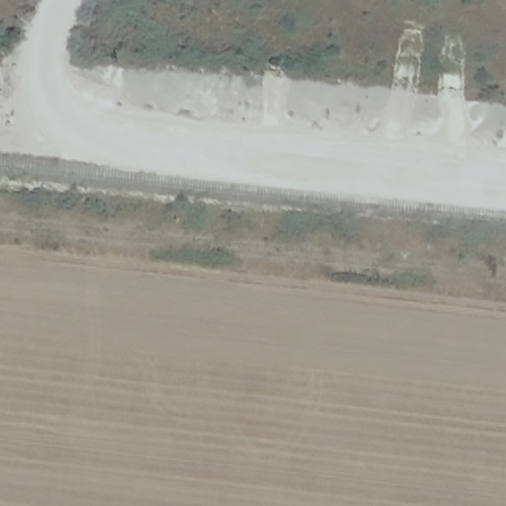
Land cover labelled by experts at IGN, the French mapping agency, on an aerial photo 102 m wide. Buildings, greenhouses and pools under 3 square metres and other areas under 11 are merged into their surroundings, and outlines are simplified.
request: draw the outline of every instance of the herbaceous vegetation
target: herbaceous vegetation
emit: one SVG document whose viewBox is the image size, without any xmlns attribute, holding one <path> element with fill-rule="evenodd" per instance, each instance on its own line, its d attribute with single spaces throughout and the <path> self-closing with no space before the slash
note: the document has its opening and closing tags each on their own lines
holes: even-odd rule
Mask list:
<svg viewBox="0 0 506 506">
<path fill-rule="evenodd" d="M 336 43 L 340 49 L 332 55 L 334 71 L 328 71 L 320 81 L 328 85 L 352 81 L 360 87 L 401 87 L 407 91 L 419 89 L 419 93 L 437 95 L 439 79 L 449 73 L 459 75 L 463 79 L 466 101 L 500 103 L 506 107 L 506 0 L 322 0 L 314 8 L 312 28 L 302 30 L 302 34 L 298 36 L 302 45 L 312 45 L 314 49 L 320 43 Z"/>
<path fill-rule="evenodd" d="M 81 0 L 81 6 L 75 14 L 75 24 L 89 26 L 93 22 L 95 0 Z"/>
<path fill-rule="evenodd" d="M 30 0 L 0 0 L 0 20 L 10 28 L 8 22 L 12 18 L 12 8 L 20 4 L 30 4 Z"/>
<path fill-rule="evenodd" d="M 117 223 L 115 219 L 105 221 L 101 217 L 93 217 L 89 213 L 75 210 L 57 211 L 55 217 L 34 217 L 32 213 L 16 213 L 16 204 L 12 204 L 6 198 L 0 198 L 0 243 L 24 243 L 34 245 L 36 249 L 63 249 L 81 255 L 115 253 L 123 257 L 138 257 L 144 261 L 150 259 L 152 249 L 182 247 L 190 243 L 188 231 L 182 229 L 182 219 L 164 223 L 160 229 L 148 229 L 148 223 L 138 217 Z"/>
<path fill-rule="evenodd" d="M 265 243 L 261 239 L 233 239 L 227 251 L 233 251 L 235 257 L 241 259 L 241 265 L 233 269 L 235 273 L 275 275 L 300 281 L 322 277 L 320 265 L 332 267 L 336 271 L 379 275 L 399 275 L 405 269 L 409 269 L 415 275 L 435 277 L 435 287 L 429 293 L 506 302 L 506 217 L 468 217 L 466 213 L 455 227 L 451 227 L 445 219 L 439 225 L 423 223 L 421 215 L 415 210 L 409 215 L 409 221 L 378 221 L 368 217 L 364 221 L 364 229 L 360 229 L 358 235 L 342 233 L 340 237 L 334 237 L 330 231 L 316 231 L 308 233 L 306 241 L 296 245 L 289 245 L 283 241 Z"/>
</svg>

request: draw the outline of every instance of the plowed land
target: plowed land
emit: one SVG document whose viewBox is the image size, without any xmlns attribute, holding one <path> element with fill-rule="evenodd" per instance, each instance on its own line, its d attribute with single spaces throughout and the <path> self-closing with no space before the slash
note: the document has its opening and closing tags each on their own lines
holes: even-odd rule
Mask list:
<svg viewBox="0 0 506 506">
<path fill-rule="evenodd" d="M 65 269 L 59 267 L 59 263 L 49 261 L 45 261 L 45 265 L 26 265 L 0 261 L 0 506 L 506 506 L 506 318 L 379 304 L 348 298 L 263 293 L 249 291 L 241 283 L 235 283 L 231 289 L 223 289 L 219 281 L 186 283 L 180 279 L 150 279 L 150 275 L 126 279 L 119 275 L 107 275 L 107 279 L 95 279 L 87 277 L 89 271 Z"/>
</svg>

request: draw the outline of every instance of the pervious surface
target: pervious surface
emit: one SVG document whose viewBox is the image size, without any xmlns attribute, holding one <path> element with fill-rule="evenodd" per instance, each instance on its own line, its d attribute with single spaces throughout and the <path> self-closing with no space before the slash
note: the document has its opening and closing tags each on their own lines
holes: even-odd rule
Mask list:
<svg viewBox="0 0 506 506">
<path fill-rule="evenodd" d="M 18 43 L 4 59 L 0 59 L 0 188 L 43 188 L 67 192 L 69 186 L 77 186 L 79 194 L 123 196 L 156 202 L 174 202 L 180 190 L 188 188 L 190 204 L 219 206 L 223 210 L 334 213 L 342 210 L 346 202 L 354 202 L 354 213 L 358 217 L 368 217 L 378 221 L 409 221 L 409 215 L 415 210 L 421 215 L 423 223 L 439 225 L 445 219 L 451 227 L 455 227 L 466 213 L 468 217 L 506 217 L 506 107 L 500 103 L 466 101 L 463 79 L 459 75 L 449 73 L 439 79 L 437 95 L 419 93 L 419 89 L 407 91 L 401 87 L 360 87 L 352 81 L 328 85 L 320 81 L 289 79 L 285 71 L 277 65 L 273 65 L 271 71 L 265 75 L 245 71 L 241 75 L 235 75 L 225 67 L 217 73 L 198 69 L 196 73 L 192 73 L 172 63 L 166 65 L 162 71 L 123 69 L 115 65 L 81 69 L 71 65 L 67 51 L 69 30 L 75 24 L 75 14 L 81 6 L 81 0 L 42 0 L 32 22 L 24 26 L 22 42 Z"/>
<path fill-rule="evenodd" d="M 49 261 L 59 263 L 59 267 L 65 269 L 89 271 L 87 277 L 95 279 L 107 279 L 107 275 L 119 275 L 126 279 L 150 275 L 150 279 L 180 279 L 186 283 L 219 281 L 223 289 L 231 289 L 235 283 L 241 283 L 249 291 L 263 293 L 348 298 L 379 304 L 506 318 L 506 302 L 429 293 L 421 289 L 393 289 L 358 283 L 338 283 L 322 277 L 300 281 L 275 275 L 235 273 L 233 269 L 211 269 L 188 263 L 150 259 L 144 261 L 138 257 L 123 257 L 115 253 L 81 255 L 63 249 L 36 249 L 34 245 L 24 243 L 0 243 L 0 261 L 26 265 L 45 265 L 45 261 Z"/>
</svg>

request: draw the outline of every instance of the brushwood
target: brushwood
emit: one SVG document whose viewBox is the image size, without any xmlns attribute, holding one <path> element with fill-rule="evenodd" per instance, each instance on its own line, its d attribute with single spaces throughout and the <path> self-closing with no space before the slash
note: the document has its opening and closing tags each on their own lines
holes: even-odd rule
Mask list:
<svg viewBox="0 0 506 506">
<path fill-rule="evenodd" d="M 364 229 L 364 221 L 368 217 L 358 217 L 354 213 L 354 202 L 346 202 L 342 210 L 334 213 L 223 210 L 219 206 L 190 204 L 188 188 L 180 190 L 174 202 L 156 202 L 123 196 L 79 194 L 77 186 L 69 186 L 67 192 L 43 188 L 0 188 L 0 198 L 6 198 L 12 204 L 16 204 L 16 213 L 32 213 L 34 217 L 55 217 L 57 211 L 75 210 L 89 213 L 93 217 L 101 217 L 105 221 L 115 219 L 117 223 L 138 217 L 148 223 L 148 229 L 160 229 L 164 223 L 182 219 L 182 229 L 188 231 L 190 243 L 182 247 L 152 249 L 150 259 L 188 263 L 211 269 L 233 269 L 241 265 L 241 259 L 235 257 L 233 251 L 227 251 L 233 239 L 261 239 L 265 243 L 283 241 L 289 245 L 296 245 L 306 241 L 308 233 L 316 231 L 330 231 L 334 237 L 340 237 L 342 233 L 358 235 L 360 229 Z"/>
<path fill-rule="evenodd" d="M 322 277 L 338 283 L 358 283 L 393 289 L 421 289 L 429 293 L 435 287 L 435 277 L 415 275 L 409 269 L 405 269 L 399 275 L 379 275 L 336 271 L 332 267 L 320 265 Z"/>
<path fill-rule="evenodd" d="M 0 59 L 4 59 L 18 43 L 22 42 L 24 26 L 32 22 L 42 0 L 30 0 L 30 4 L 20 4 L 12 8 L 12 18 L 8 22 L 10 28 L 0 20 Z"/>
<path fill-rule="evenodd" d="M 75 24 L 69 30 L 67 51 L 71 65 L 81 69 L 115 65 L 123 69 L 162 71 L 166 65 L 172 63 L 192 73 L 196 73 L 198 69 L 217 73 L 225 67 L 235 75 L 241 75 L 245 71 L 265 75 L 271 71 L 273 65 L 277 65 L 285 71 L 289 79 L 320 81 L 328 71 L 334 71 L 332 55 L 340 49 L 336 43 L 320 43 L 314 49 L 312 45 L 302 45 L 298 36 L 302 34 L 302 30 L 312 28 L 314 8 L 322 0 L 95 0 L 93 22 L 89 26 Z"/>
</svg>

